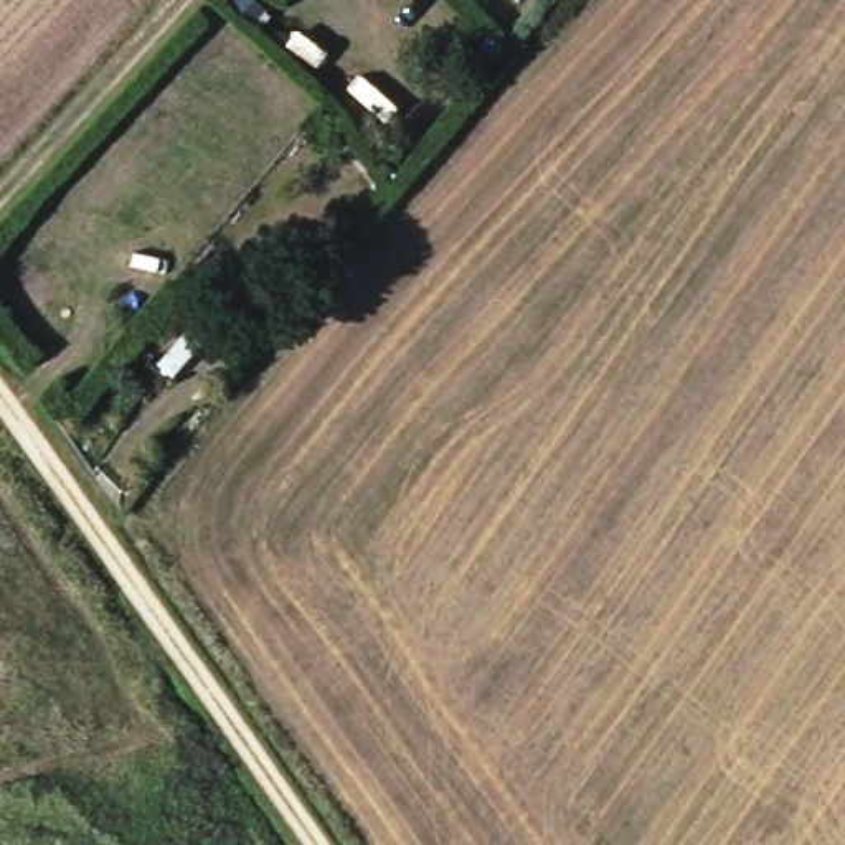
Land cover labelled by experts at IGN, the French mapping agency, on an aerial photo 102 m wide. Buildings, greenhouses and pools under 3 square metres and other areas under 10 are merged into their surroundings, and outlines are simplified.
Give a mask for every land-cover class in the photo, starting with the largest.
<instances>
[{"label":"agricultural land","instance_id":"1","mask_svg":"<svg viewBox=\"0 0 845 845\"><path fill-rule=\"evenodd\" d=\"M162 0H0V158L43 119V112L79 76H86L89 83L106 73V66L122 53L135 30H142V23L155 13ZM426 228L432 248V257L419 274L396 281L386 304L366 320H327L317 330V337L294 350L254 353L241 376L224 389L228 396L218 406H211L205 419L191 429V452L172 465V472L152 495L149 508L135 515L132 525L142 538L155 531L162 535L165 548L182 558L191 584L218 614L228 640L244 654L257 687L267 693L281 720L294 729V736L327 772L330 786L356 815L373 845H845V0H594L555 43L545 46L522 69L515 86L502 92V99L469 135V142L409 205V211Z\"/></svg>","mask_w":845,"mask_h":845},{"label":"herbaceous vegetation","instance_id":"2","mask_svg":"<svg viewBox=\"0 0 845 845\"><path fill-rule=\"evenodd\" d=\"M195 10L205 23L201 33L168 63V69L139 96V102L83 155V162L40 201L30 221L7 244V251L23 261V287L33 307L53 323V330L66 337V350H59L53 360L26 373L13 389V396L23 403V409L40 426L53 452L73 472L86 498L96 505L109 531L119 538L132 564L149 581L152 594L162 601V607L188 637L201 663L221 683L234 710L261 739V746L267 749V756L274 759V766L297 792V799L304 802V809L320 825L330 845H373L356 815L330 786L327 772L294 736V729L281 720L267 693L257 687L244 654L228 640L218 614L191 584L182 558L165 548L162 535L155 531L142 538L132 525L135 515L132 498L142 489V475L132 462L119 469L112 462L116 442L129 429L119 419L135 403L139 386L129 376V360L145 343H158L165 353L178 340L182 333L175 330L172 290L162 281L182 277L188 264L205 261L211 251H228L231 244L241 248L244 241L257 238V231L267 224H281L287 218H320L330 201L370 191L376 188V178L370 175V168L363 162H350L323 191L314 195L307 168L320 158L307 145L300 122L314 109V99L284 73H277L238 26H224L205 0H201V7ZM284 17H300L294 33L314 40L323 50V59L317 66L304 59L300 69L337 106H343L353 125L366 129L376 149H383L386 119H380L373 106L366 109L350 96L353 79H366L386 99H393V116L403 125L399 149L413 155L423 135L432 129V122L442 116V109L439 102L416 99L403 83L393 79V73L399 66L403 43L452 20V10L436 0H290ZM485 13L482 23L472 30L465 40V69L475 79V109L462 119L449 142L426 162V168L406 185V191L393 205L409 211V205L469 142V135L502 99V92L515 86L522 69L545 46L531 33L515 36L518 10L512 0H472ZM89 83L86 76H79L43 112V119L0 158V178L33 149V142H40V135L76 102V96ZM228 396L224 389L221 376L205 380V399L185 409L191 416V429L205 419L211 406H218ZM0 845H300L281 819V812L264 795V789L248 772V766L241 762V756L231 749L218 723L208 716L188 680L162 650L155 634L145 627L139 611L129 604L102 558L92 551L86 535L66 515L53 489L43 482V475L33 469L13 432L0 419Z\"/></svg>","mask_w":845,"mask_h":845},{"label":"deciduous trees","instance_id":"3","mask_svg":"<svg viewBox=\"0 0 845 845\"><path fill-rule=\"evenodd\" d=\"M472 30L452 20L403 43L399 66L393 73V79L403 83L416 99L439 102L442 109L462 96L475 102V79L465 69V40ZM432 257V248L426 228L409 211L393 205H373L370 191L330 201L320 218H287L281 224H267L257 231V238L244 241L241 248L231 244L228 251H211L205 261L188 264L182 277L162 281L172 290L175 330L182 333L178 340L188 343V353H195L201 363L221 360V376L224 389L241 376L254 353L294 350L317 337V330L327 320H366L386 304L396 281L419 274Z\"/></svg>","mask_w":845,"mask_h":845},{"label":"brushwood","instance_id":"4","mask_svg":"<svg viewBox=\"0 0 845 845\"><path fill-rule=\"evenodd\" d=\"M224 26H238L277 73H284L314 99V109L300 122L307 145L320 158L307 168L314 195L323 191L350 162H363L370 168V175L376 178V188L370 191L373 205H393L406 191V185L426 168V162L449 142L462 119L475 109V102L462 96L442 109V116L432 122V129L423 135L413 155L399 149L403 125L393 116L386 119L383 149H376L366 129L353 125L343 106H337L300 69L304 59L290 46L277 50L248 20H241L238 0H205ZM452 10V20L472 30L482 23L485 13L472 0H436ZM518 10L515 36L531 33L545 46L555 43L594 0H512ZM205 23L195 10L135 69V76L83 129V135L0 218V376L13 389L26 373L53 360L59 350H66V337L53 330V323L33 307L23 287V261L7 251V244L30 221L40 201L83 162V155L139 102V96L168 69V63L201 33ZM165 353L158 343H145L129 360V376L139 386L135 403L119 419L129 429L142 416V409L158 396L162 376L158 360ZM191 416L185 409L168 423V429L155 432V449L149 456H135L132 462L142 475V489L132 498L135 515L149 508L152 495L172 472V465L191 452Z\"/></svg>","mask_w":845,"mask_h":845},{"label":"pervious surface","instance_id":"5","mask_svg":"<svg viewBox=\"0 0 845 845\"><path fill-rule=\"evenodd\" d=\"M201 7V0H162L155 13L142 23V30H135L122 53L106 66V73L89 83L76 96V102L40 135V142H33V149L0 178V218L83 135V129L135 76V69L195 10ZM221 376V360L201 363L195 353H188L185 366L175 376H162L158 396L142 409V416L116 442L112 462L119 469L132 462L135 456H149L155 449V432L168 429V423L185 409L205 399V380ZM0 419L13 432L33 469L43 475V482L53 489L66 515L86 535L92 551L102 558L129 604L139 611L145 627L155 634L162 650L188 680L208 716L218 723L231 749L241 756V762L248 766V772L264 789V795L281 812V819L300 845H330L320 825L304 809V802L297 799V792L274 766V759L267 756V749L261 746V739L234 710L221 683L201 663L188 637L162 607V601L152 594L149 581L132 564L119 538L109 531L96 505L86 498L73 472L53 452L40 426L23 409V403L13 396V389L0 376Z\"/></svg>","mask_w":845,"mask_h":845},{"label":"building","instance_id":"6","mask_svg":"<svg viewBox=\"0 0 845 845\"><path fill-rule=\"evenodd\" d=\"M290 0H238L241 20H248L277 50L290 46L304 59L317 66L323 59V50L314 40L294 33L300 17H284ZM350 96L366 109L373 106L380 119H386L393 116V99H386L366 79H353ZM188 353V343L178 340L158 360L162 376H175L185 366Z\"/></svg>","mask_w":845,"mask_h":845}]
</instances>
